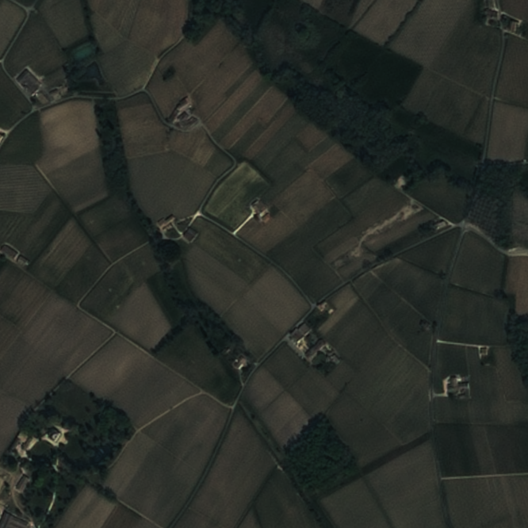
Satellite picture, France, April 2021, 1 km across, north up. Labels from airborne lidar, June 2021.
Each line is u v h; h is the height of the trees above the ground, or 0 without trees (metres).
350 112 19
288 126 0
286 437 0
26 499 12
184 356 0
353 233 0
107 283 0
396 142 12
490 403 0
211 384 0
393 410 0
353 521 0
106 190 0
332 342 0
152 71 0
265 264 0
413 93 0
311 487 18
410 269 0
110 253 0
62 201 0
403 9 0
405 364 0
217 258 0
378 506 0
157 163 0
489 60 0
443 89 0
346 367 0
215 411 0
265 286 0
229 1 15
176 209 0
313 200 0
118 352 0
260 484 0
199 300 0
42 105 0
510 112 0
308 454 28
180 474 0
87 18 7
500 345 0
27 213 0
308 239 0
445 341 0
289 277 0
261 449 0
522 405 0
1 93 0
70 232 0
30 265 0
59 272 0
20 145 0
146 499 0
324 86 0
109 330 0
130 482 0
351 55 0
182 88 0
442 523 0
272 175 0
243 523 0
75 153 0
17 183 0
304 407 0
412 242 0
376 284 0
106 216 0
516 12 0
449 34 0
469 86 0
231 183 0
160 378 0
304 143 0
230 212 0
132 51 0
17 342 0
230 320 0
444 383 0
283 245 0
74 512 0
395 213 0
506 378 0
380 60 0
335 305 0
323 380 0
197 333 0
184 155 0
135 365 0
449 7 0
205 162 0
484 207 30
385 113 22
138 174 0
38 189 0
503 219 21
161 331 0
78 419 0
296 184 0
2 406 0
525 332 23
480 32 0
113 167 13
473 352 0
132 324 0
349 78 0
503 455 0
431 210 0
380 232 0
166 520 0
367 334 0
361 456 0
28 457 9
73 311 0
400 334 0
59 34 0
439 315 0
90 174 0
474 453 0
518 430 0
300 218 0
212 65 0
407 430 0
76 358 0
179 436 0
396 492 0
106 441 10
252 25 0
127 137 0
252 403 0
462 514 0
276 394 0
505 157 0
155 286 0
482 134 0
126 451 0
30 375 0
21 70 0
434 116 0
